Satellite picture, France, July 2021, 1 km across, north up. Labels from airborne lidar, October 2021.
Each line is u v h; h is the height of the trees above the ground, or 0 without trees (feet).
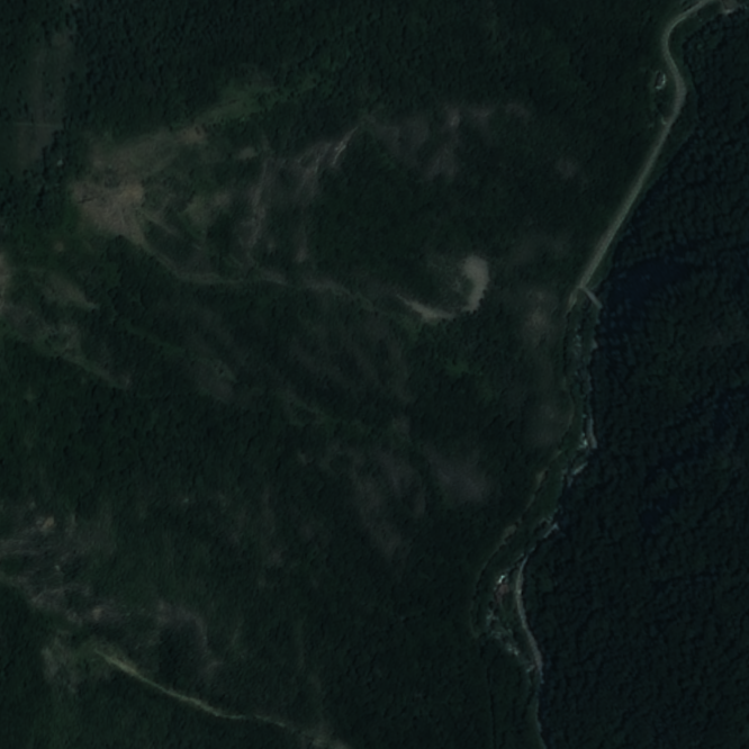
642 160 70
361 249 45
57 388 31
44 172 22
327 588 51
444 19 46
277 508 49
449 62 65
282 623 75
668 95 25
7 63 51
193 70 57
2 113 38
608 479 59
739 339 25
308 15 75
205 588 20
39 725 42
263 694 58
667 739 54
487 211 36
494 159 59
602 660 36
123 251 25
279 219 21
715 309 47
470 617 25
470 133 54
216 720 52
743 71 94
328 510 50
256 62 42
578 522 53
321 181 43
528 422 23
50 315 46
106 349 20
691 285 40
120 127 45
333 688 82
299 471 46
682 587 92
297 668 46
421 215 24
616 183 59
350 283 56
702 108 98
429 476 53
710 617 70
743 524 55
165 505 26
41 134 0
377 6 60
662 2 71
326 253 32
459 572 81
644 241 101
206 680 36
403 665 101
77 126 29
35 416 47
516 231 49
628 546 115
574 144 53
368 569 59
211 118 0
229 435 50
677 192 83
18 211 34
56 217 30
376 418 35
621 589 62
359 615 63
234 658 50
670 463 47
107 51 50
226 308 23
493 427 57
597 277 29
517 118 41
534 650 0
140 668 22
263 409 55
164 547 42
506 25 61
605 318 59
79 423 55
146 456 92
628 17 71
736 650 99
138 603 25
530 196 97
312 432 45
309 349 54
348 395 62
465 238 25
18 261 20
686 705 48
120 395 106
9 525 25
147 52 58
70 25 40
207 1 85
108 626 29
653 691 97
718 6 48
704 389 68
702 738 67
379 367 27
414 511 65
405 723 73
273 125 22
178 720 54
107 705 37
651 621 58
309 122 35
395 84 82
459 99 44
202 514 46
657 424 75
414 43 72
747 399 45
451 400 86
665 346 48
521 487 72
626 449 72
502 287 25
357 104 65
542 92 104
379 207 46
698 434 55
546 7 107
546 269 52
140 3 57
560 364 44
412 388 42
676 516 170
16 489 28
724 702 81
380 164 34
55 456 34
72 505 26
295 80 68
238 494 69
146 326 42
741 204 78
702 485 68
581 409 43
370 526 22
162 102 52
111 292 43
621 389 79
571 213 57
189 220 19
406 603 27
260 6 63
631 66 48
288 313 46
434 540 37
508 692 32
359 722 56
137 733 58
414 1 51
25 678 48
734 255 75
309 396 68
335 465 36
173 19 60
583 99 98
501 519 47
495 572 36
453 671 65
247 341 55
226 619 42
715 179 88
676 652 73
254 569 39
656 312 79
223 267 24
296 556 52
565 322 22
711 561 67
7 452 67
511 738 104
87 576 35
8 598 45
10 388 63
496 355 36
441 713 108
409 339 38
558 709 83
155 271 42
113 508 38
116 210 0
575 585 72
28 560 46
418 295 22
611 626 66
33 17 73
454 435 40
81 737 23
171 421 54
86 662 33
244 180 18
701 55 54
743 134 97
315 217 34
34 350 35
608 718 80
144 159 0
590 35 88
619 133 61
